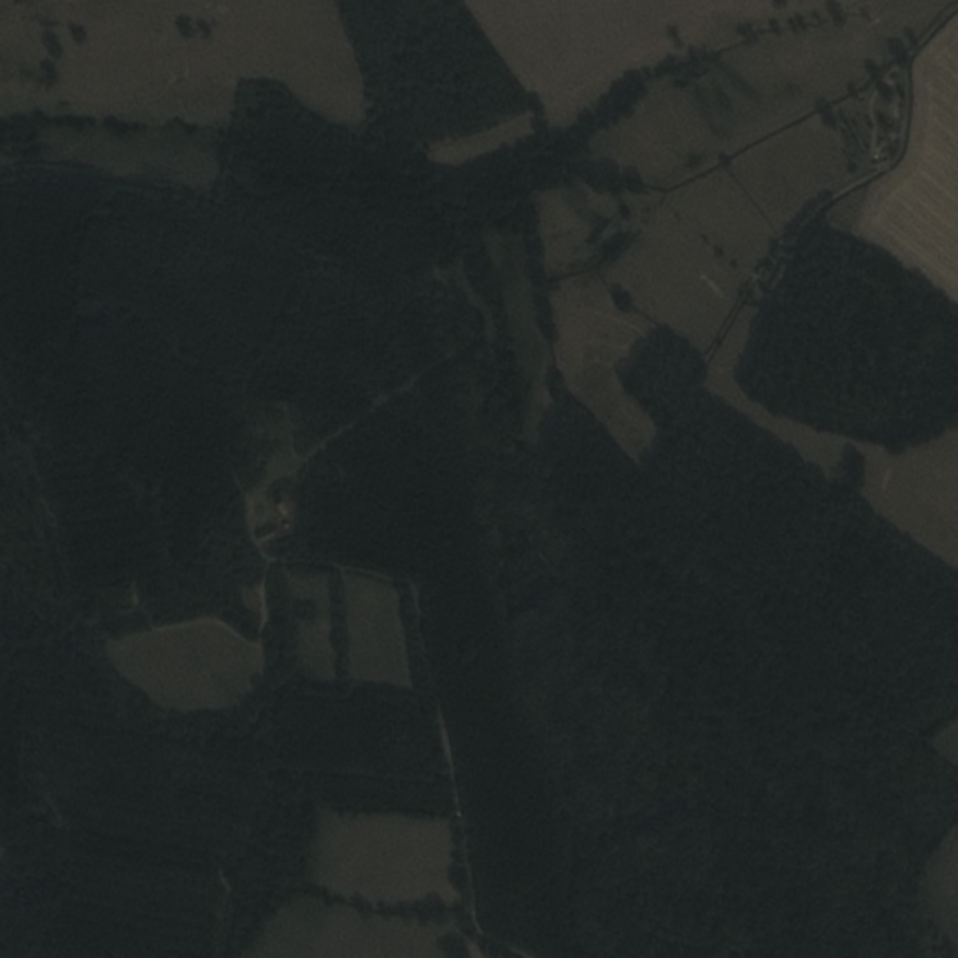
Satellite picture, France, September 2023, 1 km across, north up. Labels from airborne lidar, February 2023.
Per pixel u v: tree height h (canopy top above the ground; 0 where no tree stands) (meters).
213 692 0
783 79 0
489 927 10
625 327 0
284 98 7
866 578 9
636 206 0
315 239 10
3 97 0
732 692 16
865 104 0
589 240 0
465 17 9
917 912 17
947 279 0
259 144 15
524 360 0
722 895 17
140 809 20
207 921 21
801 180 0
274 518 0
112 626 22
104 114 0
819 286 23
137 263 11
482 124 10
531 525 19
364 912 13
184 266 13
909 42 16
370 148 10
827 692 21
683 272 0
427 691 10
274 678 15
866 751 13
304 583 0
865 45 0
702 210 0
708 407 20
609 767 20
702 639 17
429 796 10
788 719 17
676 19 0
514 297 0
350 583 0
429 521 8
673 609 22
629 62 0
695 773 17
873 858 20
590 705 21
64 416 13
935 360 17
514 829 13
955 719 0
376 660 0
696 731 22
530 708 15
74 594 8
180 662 0
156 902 16
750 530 20
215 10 0
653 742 18
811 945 20
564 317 0
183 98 0
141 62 0
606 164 0
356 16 13
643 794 21
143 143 0
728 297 0
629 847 24
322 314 12
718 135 0
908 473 0
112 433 12
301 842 22
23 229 19
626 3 0
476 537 12
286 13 0
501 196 17
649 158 0
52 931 22
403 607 12
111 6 0
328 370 7
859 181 0
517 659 14
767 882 18
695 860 17
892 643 13
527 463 17
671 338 17
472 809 11
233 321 11
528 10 0
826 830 20
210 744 17
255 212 6
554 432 26
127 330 9
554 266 0
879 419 0
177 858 9
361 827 0
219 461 10
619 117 13
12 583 9
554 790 16
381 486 9
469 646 12
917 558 20
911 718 18
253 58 0
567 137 6
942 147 0
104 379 13
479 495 14
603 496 22
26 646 7
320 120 6
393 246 11
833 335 23
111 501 21
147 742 16
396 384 8
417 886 0
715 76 0
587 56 0
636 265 0
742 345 0
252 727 17
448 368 18
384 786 9
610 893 20
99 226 13
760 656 22
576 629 21
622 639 17
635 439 0
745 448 24
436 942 0
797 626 20
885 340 22
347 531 10
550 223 0
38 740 20
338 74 0
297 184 18
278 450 0
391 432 10
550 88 0
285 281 8
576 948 8
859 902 18
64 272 15
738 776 17
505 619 16
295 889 16
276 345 7
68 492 14
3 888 17
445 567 9
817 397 0
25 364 15
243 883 15
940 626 12
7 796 17
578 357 0
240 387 10
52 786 22
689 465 18
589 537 20
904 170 0
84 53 0
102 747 21
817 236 16
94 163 0
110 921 19
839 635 18
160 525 12
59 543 17
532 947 9
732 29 0
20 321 19
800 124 0
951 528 0
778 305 19
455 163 0
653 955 21
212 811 17
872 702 13
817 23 14
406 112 11
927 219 0
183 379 12
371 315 6
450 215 18
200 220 13
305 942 0
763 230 0
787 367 23
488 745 12
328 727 14
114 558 19
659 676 15
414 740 11
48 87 0
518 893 10
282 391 8
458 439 11
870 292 21
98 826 21
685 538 18
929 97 0
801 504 23
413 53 12
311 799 13
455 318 18
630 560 20
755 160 0
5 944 26
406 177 20
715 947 20
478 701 11
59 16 0
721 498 20
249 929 19
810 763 16
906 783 6
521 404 14
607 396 0
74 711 21
